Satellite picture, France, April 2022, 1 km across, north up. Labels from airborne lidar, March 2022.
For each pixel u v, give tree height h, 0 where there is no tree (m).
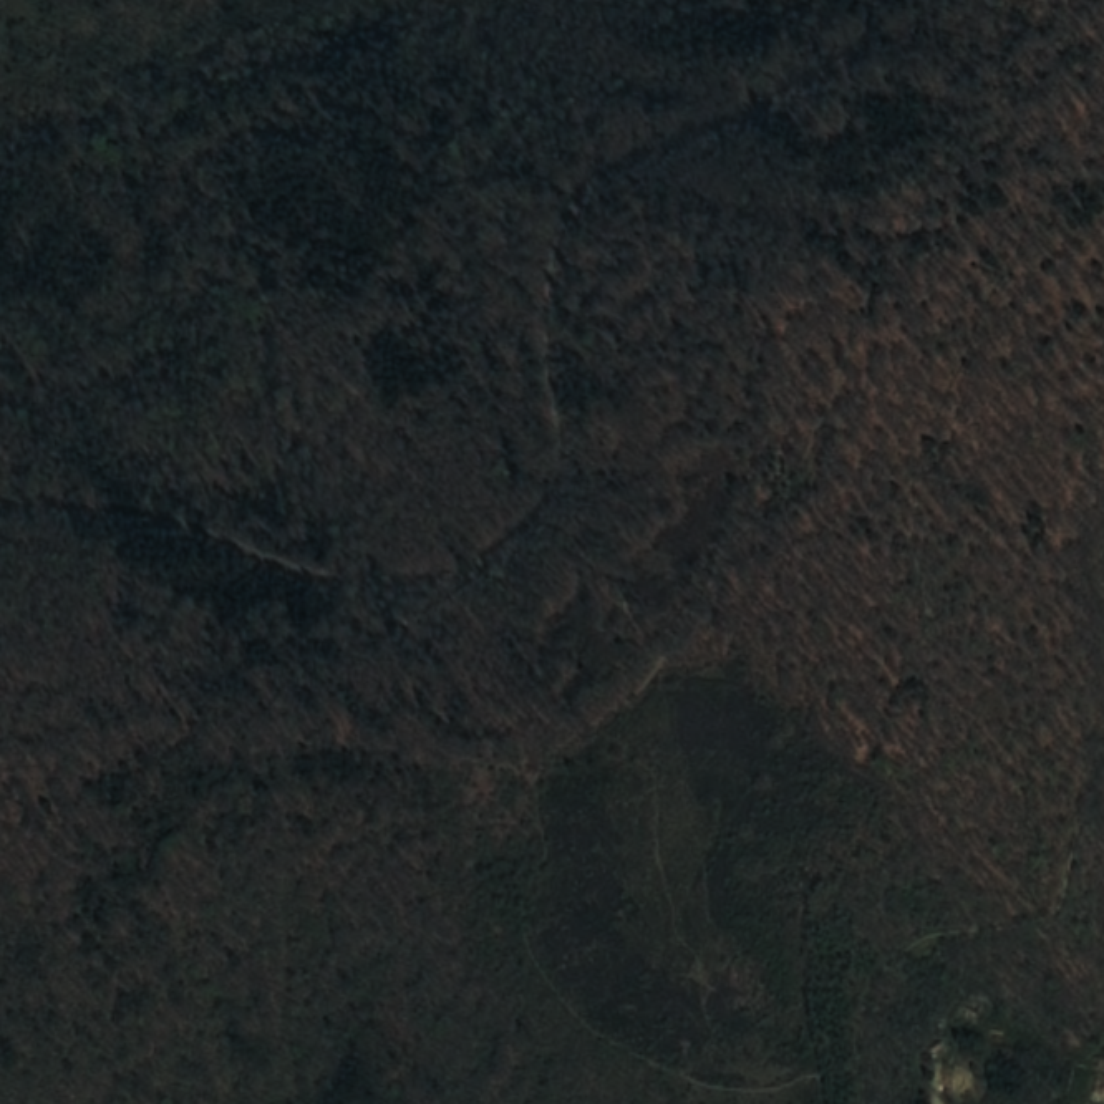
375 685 23
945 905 13
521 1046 16
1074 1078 18
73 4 25
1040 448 23
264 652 15
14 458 22
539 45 32
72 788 24
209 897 23
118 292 26
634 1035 0
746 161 24
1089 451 31
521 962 8
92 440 27
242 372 27
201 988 23
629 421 22
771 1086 0
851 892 21
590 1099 9
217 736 24
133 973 19
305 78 27
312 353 41
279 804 22
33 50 7
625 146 23
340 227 23
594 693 21
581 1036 11
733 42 19
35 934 19
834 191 5
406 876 22
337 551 31
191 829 22
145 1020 22
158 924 24
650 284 17
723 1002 0
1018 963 22
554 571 22
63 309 24
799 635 24
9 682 15
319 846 13
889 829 14
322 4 21
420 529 21
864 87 19
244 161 26
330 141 28
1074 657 30
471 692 22
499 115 22
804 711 13
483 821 7
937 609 25
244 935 25
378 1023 18
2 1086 21
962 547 27
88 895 14
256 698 25
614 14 25
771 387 24
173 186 20
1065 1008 18
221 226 34
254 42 37
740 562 20
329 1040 24
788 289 23
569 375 21
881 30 18
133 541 25
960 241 29
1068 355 34
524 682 21
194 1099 25
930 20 24
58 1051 20
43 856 26
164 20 29
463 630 20
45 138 21
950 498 34
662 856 0
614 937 0
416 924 17
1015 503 23
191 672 19
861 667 24
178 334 25
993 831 23
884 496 27
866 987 10
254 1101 22
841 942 19
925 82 23
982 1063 20
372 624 8
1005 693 21
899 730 27
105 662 24
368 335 34
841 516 22
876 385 17
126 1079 20
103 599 22
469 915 6
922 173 23
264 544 27
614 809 0
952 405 23
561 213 20
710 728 0
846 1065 17
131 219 23
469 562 17
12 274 25
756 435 23
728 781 0
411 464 24
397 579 8
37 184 23
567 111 24
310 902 14
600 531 20
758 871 15
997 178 22
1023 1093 22
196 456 26
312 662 19
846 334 21
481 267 19
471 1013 8
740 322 20
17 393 23
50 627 24
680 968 0
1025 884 23
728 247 21
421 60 28
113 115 14
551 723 22
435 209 23
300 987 7
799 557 22
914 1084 6
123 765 15
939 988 22
